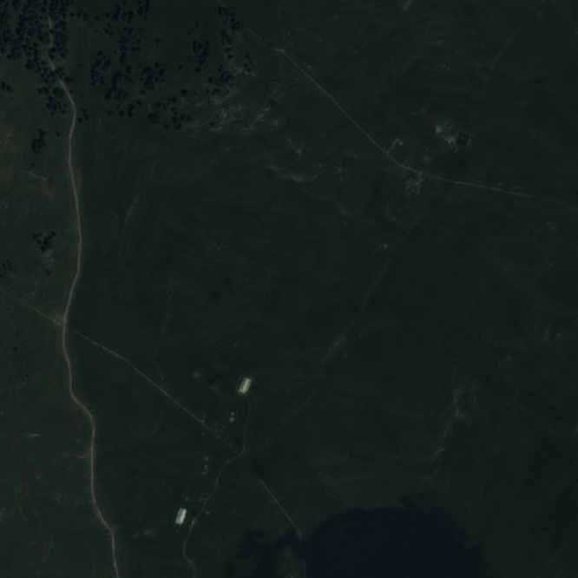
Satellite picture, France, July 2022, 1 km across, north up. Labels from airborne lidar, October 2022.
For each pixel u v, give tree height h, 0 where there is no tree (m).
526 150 0
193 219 0
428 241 0
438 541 0
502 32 0
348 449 0
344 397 0
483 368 0
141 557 0
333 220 0
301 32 0
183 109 0
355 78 0
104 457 0
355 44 0
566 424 0
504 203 0
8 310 0
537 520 0
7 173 0
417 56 0
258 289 0
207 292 0
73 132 0
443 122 0
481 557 0
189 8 0
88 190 0
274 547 0
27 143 0
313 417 0
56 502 0
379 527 0
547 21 0
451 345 0
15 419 0
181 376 0
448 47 0
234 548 0
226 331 0
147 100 0
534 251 0
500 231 0
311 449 0
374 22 0
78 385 0
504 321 0
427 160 0
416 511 0
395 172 0
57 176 0
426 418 0
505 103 0
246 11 0
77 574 0
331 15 0
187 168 0
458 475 0
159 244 0
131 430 0
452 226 0
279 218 0
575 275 0
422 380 0
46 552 0
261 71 0
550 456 0
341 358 0
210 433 0
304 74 0
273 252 0
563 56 0
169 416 0
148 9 17
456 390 0
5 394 0
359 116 0
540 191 0
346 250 0
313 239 0
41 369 0
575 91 0
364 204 0
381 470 0
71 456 0
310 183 0
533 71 0
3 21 15
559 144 0
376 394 0
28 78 0
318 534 0
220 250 0
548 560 0
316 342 0
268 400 0
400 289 0
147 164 0
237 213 0
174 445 0
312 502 0
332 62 0
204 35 0
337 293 0
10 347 0
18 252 0
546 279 0
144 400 0
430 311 0
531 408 0
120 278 0
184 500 0
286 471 0
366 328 0
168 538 0
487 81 0
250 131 0
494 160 0
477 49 0
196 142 0
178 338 0
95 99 0
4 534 0
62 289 0
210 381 0
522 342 0
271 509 0
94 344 0
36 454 0
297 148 0
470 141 0
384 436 0
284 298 0
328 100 0
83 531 0
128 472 0
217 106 0
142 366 0
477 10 0
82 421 0
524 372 0
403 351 0
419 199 0
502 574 0
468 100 0
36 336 0
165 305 0
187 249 0
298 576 0
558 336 0
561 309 0
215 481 0
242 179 0
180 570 0
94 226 0
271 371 0
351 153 0
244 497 0
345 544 0
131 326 0
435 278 0
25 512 0
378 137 0
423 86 0
